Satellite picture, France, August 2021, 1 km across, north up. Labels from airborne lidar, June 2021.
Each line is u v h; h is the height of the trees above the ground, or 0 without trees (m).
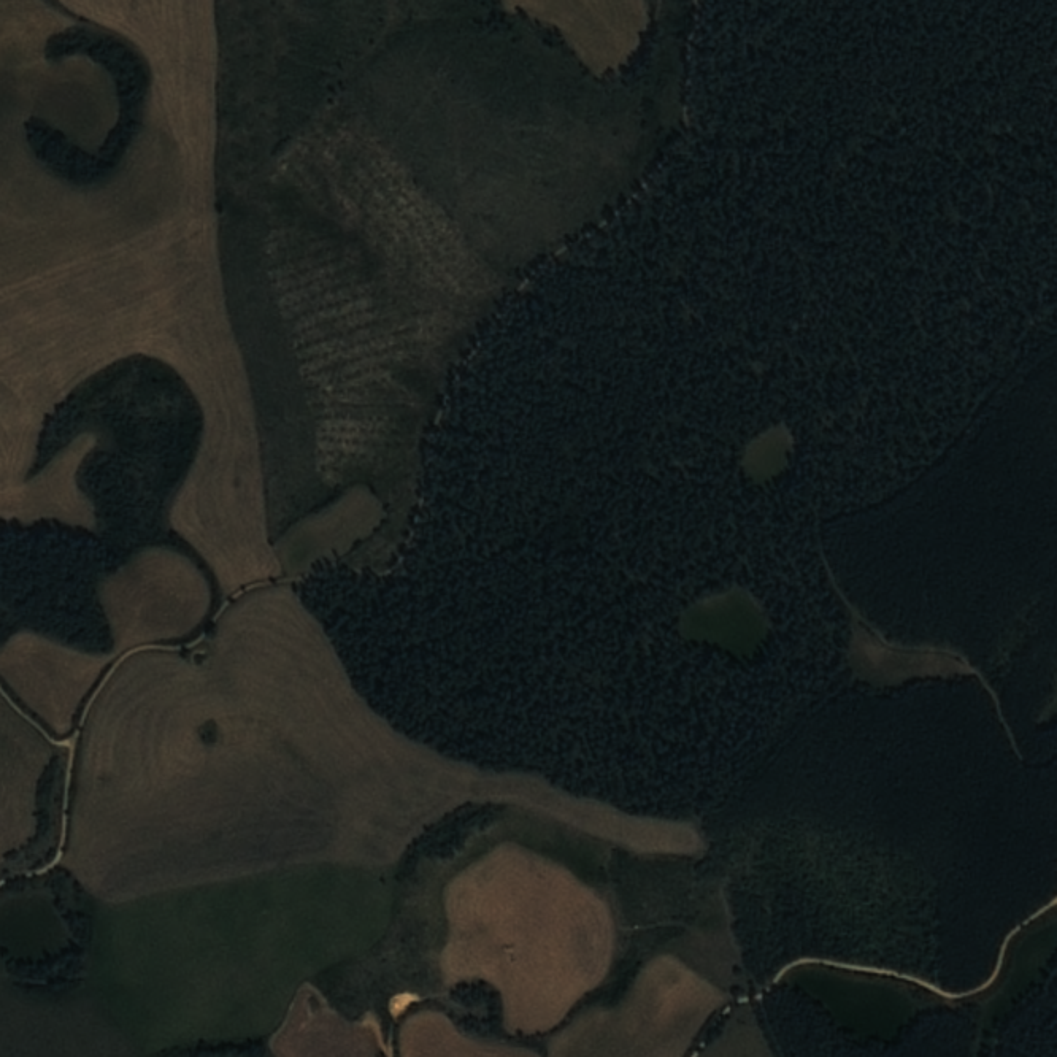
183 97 0
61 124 0
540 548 7
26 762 0
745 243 18
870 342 15
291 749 0
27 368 0
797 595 16
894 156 18
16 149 0
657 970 0
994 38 15
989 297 16
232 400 0
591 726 18
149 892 0
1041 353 12
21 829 0
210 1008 0
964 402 17
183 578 0
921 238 20
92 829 0
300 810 0
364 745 0
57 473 0
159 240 0
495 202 0
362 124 0
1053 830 13
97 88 0
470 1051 0
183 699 0
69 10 0
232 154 0
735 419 17
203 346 0
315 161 0
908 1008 0
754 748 11
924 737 10
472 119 0
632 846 0
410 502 0
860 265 20
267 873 0
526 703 16
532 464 12
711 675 18
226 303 0
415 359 0
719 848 7
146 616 0
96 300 0
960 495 11
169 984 0
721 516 15
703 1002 0
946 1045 14
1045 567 9
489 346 18
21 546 17
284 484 0
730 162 16
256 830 0
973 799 12
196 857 0
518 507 12
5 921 0
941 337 13
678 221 13
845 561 11
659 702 18
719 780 13
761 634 0
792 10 15
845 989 0
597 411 16
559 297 16
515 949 0
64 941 0
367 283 0
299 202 0
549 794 0
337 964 0
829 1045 8
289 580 0
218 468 0
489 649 18
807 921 8
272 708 0
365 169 0
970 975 13
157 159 0
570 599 23
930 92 16
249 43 0
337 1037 0
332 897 0
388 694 14
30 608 14
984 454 13
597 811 0
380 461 0
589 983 0
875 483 14
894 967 8
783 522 18
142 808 0
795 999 11
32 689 0
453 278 0
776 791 11
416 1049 0
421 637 20
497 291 0
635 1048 0
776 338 21
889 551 13
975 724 11
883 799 13
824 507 12
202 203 0
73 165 9
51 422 13
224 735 0
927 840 11
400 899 0
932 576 11
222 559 0
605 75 0
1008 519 12
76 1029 0
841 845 6
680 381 13
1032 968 0
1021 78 16
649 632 20
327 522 0
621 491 20
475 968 0
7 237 0
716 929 0
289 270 0
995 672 6
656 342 18
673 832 0
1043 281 15
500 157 0
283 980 0
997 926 14
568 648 16
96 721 0
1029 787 14
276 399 0
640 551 16
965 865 11
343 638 16
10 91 0
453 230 0
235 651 0
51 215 0
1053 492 12
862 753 11
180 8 0
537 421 14
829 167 16
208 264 0
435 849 8
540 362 15
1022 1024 14
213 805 0
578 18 0
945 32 16
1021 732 13
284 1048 0
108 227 0
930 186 19
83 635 14
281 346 0
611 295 14
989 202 18
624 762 18
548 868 0
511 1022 0
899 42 18
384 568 0
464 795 0
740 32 20
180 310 0
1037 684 11
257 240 0
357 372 0
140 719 0
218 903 0
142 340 0
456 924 0
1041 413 11
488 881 0
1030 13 16
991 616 11
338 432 0
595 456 15
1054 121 15
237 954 0
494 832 0
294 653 0
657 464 18
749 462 0
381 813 0
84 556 13
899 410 17
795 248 18
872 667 0
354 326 0
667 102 0
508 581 16
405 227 0
